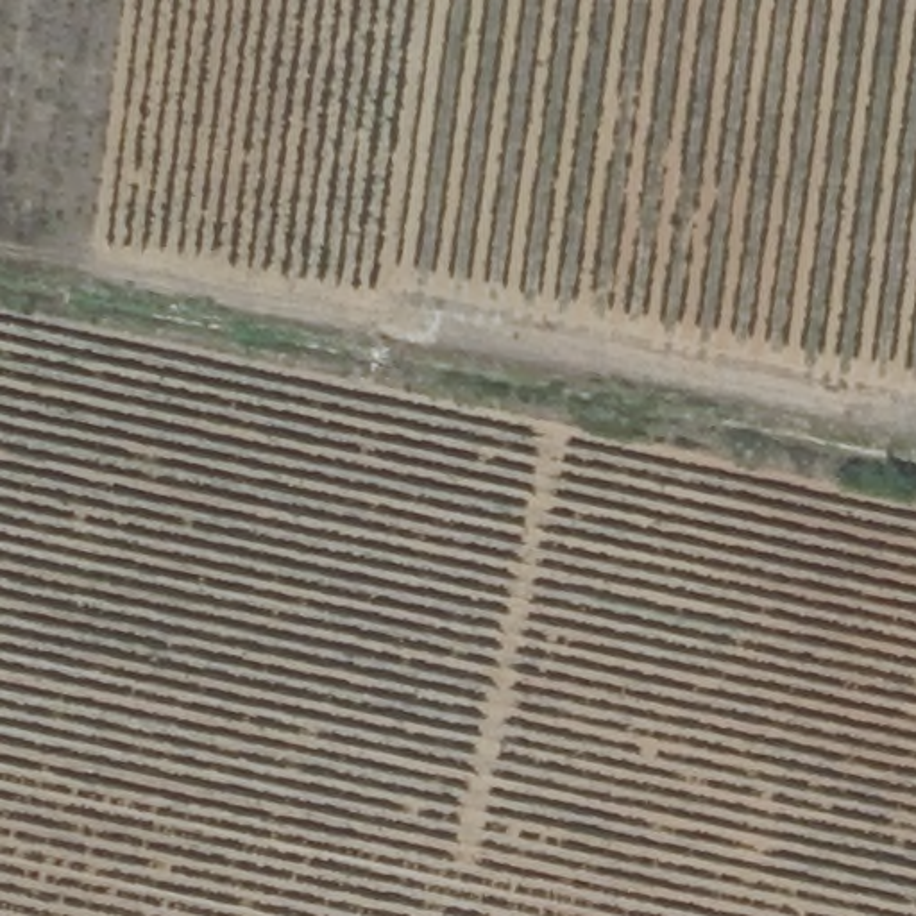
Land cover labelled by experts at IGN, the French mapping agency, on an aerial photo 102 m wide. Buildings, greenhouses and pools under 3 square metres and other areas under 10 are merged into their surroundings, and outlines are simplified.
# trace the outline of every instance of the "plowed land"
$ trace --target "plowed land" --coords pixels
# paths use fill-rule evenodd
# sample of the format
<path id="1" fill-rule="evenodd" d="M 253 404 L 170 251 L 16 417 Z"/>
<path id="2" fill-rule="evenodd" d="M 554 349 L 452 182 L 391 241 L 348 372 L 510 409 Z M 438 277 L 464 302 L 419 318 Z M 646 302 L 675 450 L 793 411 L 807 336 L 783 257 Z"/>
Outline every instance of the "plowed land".
<path id="1" fill-rule="evenodd" d="M 408 344 L 505 351 L 522 361 L 562 361 L 590 372 L 623 372 L 630 379 L 680 383 L 701 394 L 734 394 L 766 404 L 805 408 L 816 415 L 848 415 L 859 426 L 884 422 L 898 433 L 909 433 L 916 426 L 916 365 L 869 361 L 862 354 L 852 361 L 837 354 L 802 351 L 791 344 L 769 344 L 755 333 L 737 336 L 730 329 L 698 329 L 683 322 L 662 326 L 662 318 L 648 315 L 630 318 L 623 311 L 623 297 L 615 297 L 608 311 L 594 308 L 594 293 L 580 293 L 576 301 L 555 301 L 555 272 L 544 272 L 544 293 L 533 301 L 519 293 L 519 272 L 512 268 L 508 283 L 490 283 L 472 276 L 465 279 L 429 272 L 401 261 L 379 272 L 379 286 L 354 290 L 340 286 L 340 279 L 329 276 L 318 279 L 290 276 L 279 268 L 247 268 L 229 265 L 215 250 L 179 250 L 179 229 L 168 229 L 168 247 L 125 247 L 125 225 L 115 225 L 115 243 L 107 243 L 111 179 L 104 175 L 89 233 L 93 272 L 115 283 L 132 283 L 140 290 L 211 297 L 218 304 L 254 315 L 279 315 L 322 326 L 361 326 L 369 333 L 390 333 Z"/>

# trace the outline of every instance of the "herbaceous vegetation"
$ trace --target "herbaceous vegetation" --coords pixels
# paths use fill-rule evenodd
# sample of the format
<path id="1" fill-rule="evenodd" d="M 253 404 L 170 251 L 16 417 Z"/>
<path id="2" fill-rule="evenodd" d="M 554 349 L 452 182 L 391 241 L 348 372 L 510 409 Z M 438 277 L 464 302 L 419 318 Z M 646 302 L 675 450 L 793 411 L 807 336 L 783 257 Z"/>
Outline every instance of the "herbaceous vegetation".
<path id="1" fill-rule="evenodd" d="M 562 361 L 522 361 L 505 351 L 408 344 L 390 333 L 369 333 L 361 326 L 322 326 L 279 315 L 254 315 L 218 304 L 211 297 L 140 290 L 132 283 L 115 283 L 93 272 L 82 272 L 75 265 L 0 258 L 0 304 L 18 308 L 18 315 L 25 318 L 32 318 L 32 311 L 93 322 L 111 318 L 122 326 L 182 333 L 204 344 L 276 351 L 301 361 L 333 365 L 344 376 L 369 376 L 369 365 L 383 361 L 379 379 L 401 383 L 404 390 L 451 394 L 458 401 L 501 401 L 505 408 L 547 408 L 551 419 L 590 433 L 730 454 L 737 458 L 730 472 L 759 476 L 759 465 L 766 465 L 769 458 L 787 458 L 798 472 L 834 476 L 855 490 L 891 497 L 916 494 L 916 426 L 909 433 L 898 433 L 884 422 L 859 426 L 848 415 L 816 415 L 805 408 L 766 404 L 734 394 L 701 394 L 680 383 L 630 379 L 623 372 L 590 372 Z"/>

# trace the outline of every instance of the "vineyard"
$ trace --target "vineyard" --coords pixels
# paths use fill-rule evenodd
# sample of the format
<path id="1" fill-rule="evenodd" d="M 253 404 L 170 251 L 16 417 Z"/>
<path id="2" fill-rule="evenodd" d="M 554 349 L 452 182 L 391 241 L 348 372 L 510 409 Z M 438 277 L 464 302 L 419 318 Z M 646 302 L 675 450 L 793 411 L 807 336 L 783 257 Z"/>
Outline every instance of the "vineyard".
<path id="1" fill-rule="evenodd" d="M 401 261 L 429 272 L 465 279 L 472 276 L 490 283 L 508 283 L 512 268 L 519 272 L 519 293 L 533 301 L 544 293 L 544 272 L 555 272 L 555 301 L 576 301 L 580 293 L 594 293 L 594 308 L 608 311 L 615 297 L 623 297 L 623 311 L 630 318 L 648 315 L 662 318 L 662 326 L 683 322 L 698 329 L 730 329 L 737 336 L 755 333 L 769 344 L 791 344 L 802 351 L 837 354 L 852 361 L 862 354 L 869 361 L 916 365 L 916 0 L 0 0 L 0 258 L 75 265 L 82 272 L 93 272 L 89 233 L 104 175 L 111 179 L 107 243 L 115 243 L 115 225 L 125 225 L 125 247 L 168 247 L 168 229 L 179 229 L 179 250 L 215 250 L 229 265 L 247 268 L 279 268 L 290 276 L 318 279 L 329 276 L 340 279 L 340 286 L 354 290 L 379 286 L 379 272 Z"/>
<path id="2" fill-rule="evenodd" d="M 369 365 L 369 376 L 344 376 L 333 365 L 301 361 L 276 351 L 204 344 L 182 333 L 122 326 L 111 318 L 93 322 L 32 311 L 32 318 L 25 318 L 18 315 L 18 308 L 0 304 L 0 916 L 916 916 L 916 494 L 891 497 L 855 490 L 834 476 L 798 472 L 787 458 L 769 458 L 766 465 L 759 465 L 759 476 L 730 472 L 737 458 L 730 454 L 590 433 L 551 419 L 547 408 L 505 408 L 501 401 L 458 401 L 451 394 L 404 390 L 401 383 L 379 379 L 383 361 Z"/>

